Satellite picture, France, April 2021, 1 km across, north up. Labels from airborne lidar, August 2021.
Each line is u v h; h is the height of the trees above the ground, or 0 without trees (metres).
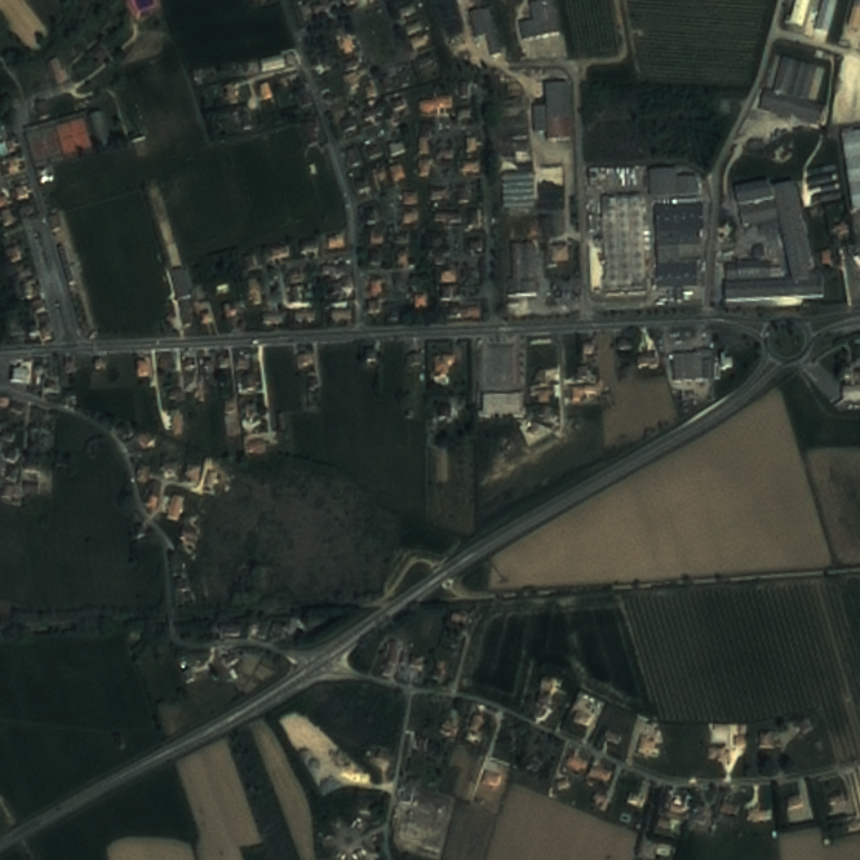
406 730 0
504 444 0
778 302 0
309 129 0
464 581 0
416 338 0
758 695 0
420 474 0
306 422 0
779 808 8
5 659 0
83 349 0
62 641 0
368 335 0
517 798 0
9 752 0
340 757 0
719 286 0
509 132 0
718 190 0
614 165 0
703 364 0
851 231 7
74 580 0
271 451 0
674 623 0
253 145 0
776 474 0
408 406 16
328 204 0
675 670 0
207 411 0
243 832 0
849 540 0
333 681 0
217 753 0
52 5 0
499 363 0
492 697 0
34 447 18
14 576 0
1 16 16
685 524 0
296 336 0
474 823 0
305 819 0
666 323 0
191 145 0
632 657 0
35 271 8
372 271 0
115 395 0
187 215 0
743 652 0
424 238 9
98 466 0
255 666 0
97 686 0
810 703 0
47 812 0
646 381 0
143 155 0
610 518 0
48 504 0
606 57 0
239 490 0
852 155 0
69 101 0
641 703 0
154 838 0
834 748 0
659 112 9
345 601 17
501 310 14
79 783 0
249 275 7
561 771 0
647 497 0
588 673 0
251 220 0
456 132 0
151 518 0
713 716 0
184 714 0
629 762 0
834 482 0
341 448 0
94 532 0
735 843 0
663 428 9
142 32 9
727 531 0
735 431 0
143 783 0
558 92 0
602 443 0
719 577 10
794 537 0
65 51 0
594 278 0
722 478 0
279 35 0
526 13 0
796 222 0
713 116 11
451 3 0
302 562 0
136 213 0
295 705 0
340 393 0
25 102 0
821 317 0
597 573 0
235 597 18
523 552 0
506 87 0
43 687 0
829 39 0
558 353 0
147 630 13
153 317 0
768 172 0
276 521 0
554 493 0
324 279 6
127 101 0
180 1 0
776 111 0
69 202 0
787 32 0
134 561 10
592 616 0
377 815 8
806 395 0
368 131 8
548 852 0
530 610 0
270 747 0
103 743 0
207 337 0
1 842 0
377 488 0
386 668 0
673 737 0
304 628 0
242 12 0
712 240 0
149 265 0
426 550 0
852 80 0
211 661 0
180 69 0
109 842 0
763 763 9
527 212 0
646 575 0
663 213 0
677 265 0
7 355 0
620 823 0
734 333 0
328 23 9
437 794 0
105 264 0
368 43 0
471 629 0
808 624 0
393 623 17
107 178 0
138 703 0
